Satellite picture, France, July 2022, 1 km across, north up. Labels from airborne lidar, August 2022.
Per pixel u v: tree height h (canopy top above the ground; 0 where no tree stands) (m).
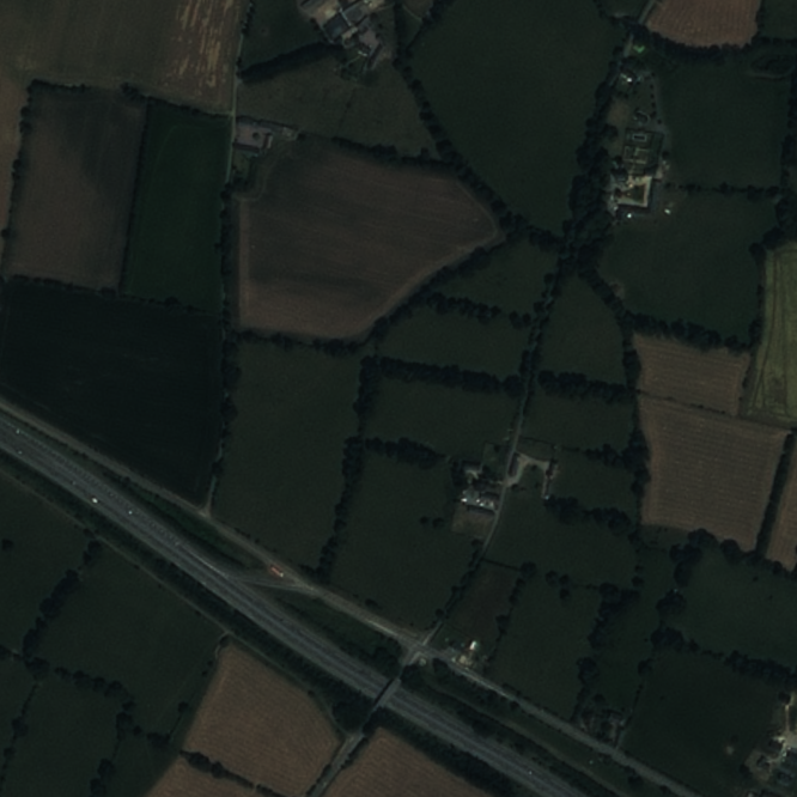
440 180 0
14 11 0
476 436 0
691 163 0
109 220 0
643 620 0
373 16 9
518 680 0
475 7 0
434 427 0
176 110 6
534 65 0
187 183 0
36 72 0
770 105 0
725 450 0
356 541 0
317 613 0
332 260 0
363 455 16
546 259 0
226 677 0
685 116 0
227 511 0
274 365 0
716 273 0
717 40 0
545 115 0
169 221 0
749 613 0
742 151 0
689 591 0
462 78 0
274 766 0
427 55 0
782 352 0
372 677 0
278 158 0
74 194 0
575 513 24
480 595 0
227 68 0
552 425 0
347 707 15
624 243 0
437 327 0
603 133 18
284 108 0
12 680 0
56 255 0
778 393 0
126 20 0
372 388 30
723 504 0
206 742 0
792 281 0
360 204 0
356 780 0
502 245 7
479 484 12
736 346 22
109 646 0
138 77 0
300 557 0
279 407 0
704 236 0
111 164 0
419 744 10
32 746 0
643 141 0
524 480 0
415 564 0
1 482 0
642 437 19
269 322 0
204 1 0
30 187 0
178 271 0
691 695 0
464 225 0
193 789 0
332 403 0
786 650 0
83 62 0
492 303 0
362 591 0
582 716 8
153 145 0
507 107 0
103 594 0
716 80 0
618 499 0
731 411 0
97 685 13
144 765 0
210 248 0
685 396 0
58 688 0
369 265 0
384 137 0
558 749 0
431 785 0
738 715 0
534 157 0
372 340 6
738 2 0
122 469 0
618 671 0
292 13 0
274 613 0
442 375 19
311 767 0
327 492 0
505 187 0
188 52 0
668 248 0
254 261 0
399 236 0
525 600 0
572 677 0
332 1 0
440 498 0
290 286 0
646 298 0
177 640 0
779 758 0
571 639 0
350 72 6
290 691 0
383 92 0
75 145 0
